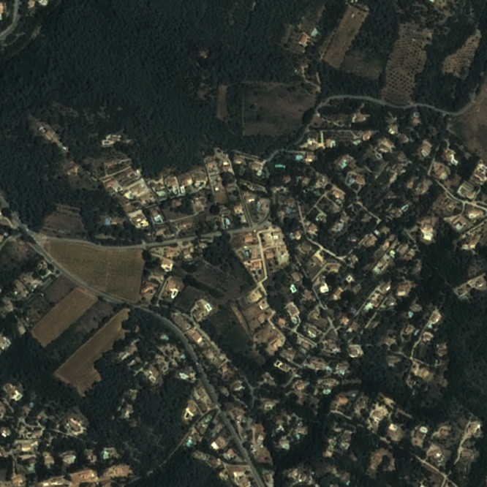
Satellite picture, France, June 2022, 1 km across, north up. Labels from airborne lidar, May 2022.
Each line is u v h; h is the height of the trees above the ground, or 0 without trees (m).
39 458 9
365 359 19
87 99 21
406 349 9
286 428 9
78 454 7
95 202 18
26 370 6
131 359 10
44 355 6
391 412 7
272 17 20
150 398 17
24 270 14
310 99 0
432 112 19
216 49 10
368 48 11
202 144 17
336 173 16
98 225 19
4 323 15
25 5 17
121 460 11
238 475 0
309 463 9
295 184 7
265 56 18
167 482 9
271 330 0
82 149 16
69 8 9
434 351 11
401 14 8
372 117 7
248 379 18
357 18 0
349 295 14
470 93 14
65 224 0
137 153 19
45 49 7
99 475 10
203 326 19
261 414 22
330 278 12
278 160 8
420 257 13
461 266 12
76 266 0
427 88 19
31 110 21
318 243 9
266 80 19
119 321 0
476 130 0
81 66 22
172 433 21
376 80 7
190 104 18
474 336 6
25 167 18
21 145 16
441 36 7
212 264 10
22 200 24
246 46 16
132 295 0
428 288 14
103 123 6
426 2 16
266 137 14
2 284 9
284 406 12
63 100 8
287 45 15
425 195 8
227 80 21
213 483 10
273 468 6
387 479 16
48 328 0
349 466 19
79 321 0
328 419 10
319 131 7
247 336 0
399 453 10
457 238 10
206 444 10
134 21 17
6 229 12
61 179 21
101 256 0
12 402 6
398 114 7
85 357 0
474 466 11
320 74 9
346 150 14
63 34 22
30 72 6
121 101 8
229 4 8
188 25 15
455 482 9
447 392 12
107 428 19
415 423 13
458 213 6
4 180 18
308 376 11
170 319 7
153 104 12
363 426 8
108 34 11
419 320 11
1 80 7
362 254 11
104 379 16
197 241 6
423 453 14
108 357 21
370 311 11
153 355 11
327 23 7
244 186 10
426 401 14
